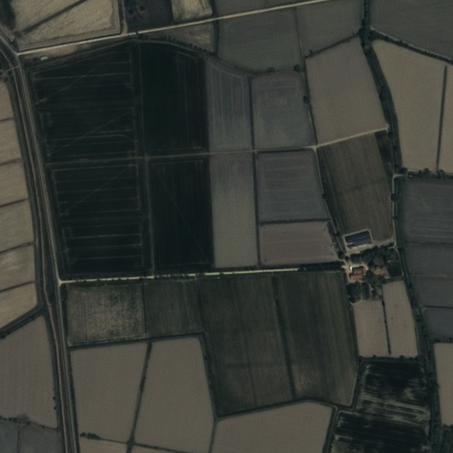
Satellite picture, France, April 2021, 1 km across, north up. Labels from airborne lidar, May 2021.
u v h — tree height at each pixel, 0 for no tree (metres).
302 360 0
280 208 0
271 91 0
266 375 0
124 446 0
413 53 0
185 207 0
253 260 0
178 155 0
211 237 0
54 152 0
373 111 0
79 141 0
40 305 0
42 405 0
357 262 16
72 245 0
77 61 0
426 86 0
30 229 0
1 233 0
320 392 0
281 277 0
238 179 0
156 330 0
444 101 0
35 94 0
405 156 0
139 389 0
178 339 0
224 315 0
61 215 0
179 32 0
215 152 0
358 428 0
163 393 0
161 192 0
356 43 0
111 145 0
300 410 0
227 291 0
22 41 0
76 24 0
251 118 0
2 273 0
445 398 0
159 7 0
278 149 0
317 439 0
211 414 0
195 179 0
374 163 0
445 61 9
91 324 0
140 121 0
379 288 0
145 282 9
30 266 0
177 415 0
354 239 0
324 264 7
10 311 0
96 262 0
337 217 0
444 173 14
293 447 0
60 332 0
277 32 0
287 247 0
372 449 0
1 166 0
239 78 0
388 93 11
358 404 0
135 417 0
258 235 0
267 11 0
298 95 0
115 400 0
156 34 0
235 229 0
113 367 0
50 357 0
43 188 0
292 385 0
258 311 0
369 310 0
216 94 0
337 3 0
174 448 0
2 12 0
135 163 0
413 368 0
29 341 0
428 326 0
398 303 0
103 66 0
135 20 6
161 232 0
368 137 0
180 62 0
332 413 0
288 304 0
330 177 0
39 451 0
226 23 0
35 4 0
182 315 0
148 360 0
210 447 0
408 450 0
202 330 0
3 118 0
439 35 0
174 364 0
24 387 0
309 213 0
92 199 0
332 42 0
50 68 0
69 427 0
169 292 0
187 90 0
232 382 0
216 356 0
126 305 0
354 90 0
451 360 0
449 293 0
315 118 0
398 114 0
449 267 0
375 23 0
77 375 0
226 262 0
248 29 0
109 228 0
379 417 0
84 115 0
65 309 0
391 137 11
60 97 0
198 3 0
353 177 0
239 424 0
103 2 0
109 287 0
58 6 0
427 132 0
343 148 0
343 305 0
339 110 0
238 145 0
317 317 0
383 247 7
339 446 0
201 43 0
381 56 0
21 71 0
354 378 0
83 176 0
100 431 0
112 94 0
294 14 0
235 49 0
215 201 0
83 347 0
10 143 0
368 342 0
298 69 11
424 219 0
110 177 0
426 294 0
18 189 0
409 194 0
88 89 0
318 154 0
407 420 0
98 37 0
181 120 0
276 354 0
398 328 0
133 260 0
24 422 0
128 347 0
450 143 0
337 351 0
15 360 0
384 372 0
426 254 0
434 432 12
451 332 0
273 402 0
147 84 0
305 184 0
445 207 0
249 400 0
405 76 0
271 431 0
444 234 0
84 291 0
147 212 6
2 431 0
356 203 0
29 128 0
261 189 0
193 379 0
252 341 0
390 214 0
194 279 0
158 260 0
